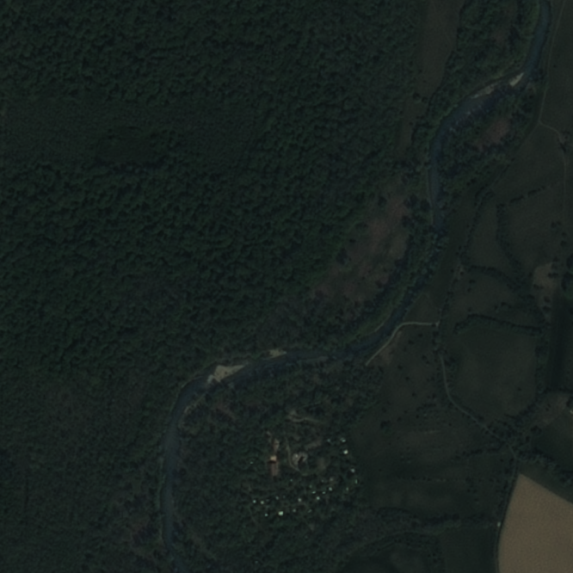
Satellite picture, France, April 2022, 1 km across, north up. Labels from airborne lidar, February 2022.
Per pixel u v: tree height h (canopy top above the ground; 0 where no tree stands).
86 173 21
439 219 0
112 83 17
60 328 21
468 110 0
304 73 19
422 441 0
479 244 0
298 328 22
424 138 9
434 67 0
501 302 0
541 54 0
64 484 17
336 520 14
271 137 21
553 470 17
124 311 21
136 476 20
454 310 0
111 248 21
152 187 19
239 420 13
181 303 23
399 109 13
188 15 21
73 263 24
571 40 0
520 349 0
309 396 17
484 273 7
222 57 19
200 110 14
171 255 22
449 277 0
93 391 15
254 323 25
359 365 9
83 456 15
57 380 15
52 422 15
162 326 19
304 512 11
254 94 15
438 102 12
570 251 0
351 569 0
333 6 22
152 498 9
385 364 0
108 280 22
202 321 21
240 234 22
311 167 17
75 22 21
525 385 0
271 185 22
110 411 13
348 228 20
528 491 0
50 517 15
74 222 18
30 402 15
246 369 0
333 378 16
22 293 22
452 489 0
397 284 21
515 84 0
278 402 0
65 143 15
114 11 24
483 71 12
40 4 19
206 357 22
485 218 0
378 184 6
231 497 18
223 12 21
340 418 13
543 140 0
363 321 18
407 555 0
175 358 24
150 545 24
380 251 0
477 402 0
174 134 11
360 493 13
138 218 18
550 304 13
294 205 18
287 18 12
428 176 0
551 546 0
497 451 6
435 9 0
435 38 0
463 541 0
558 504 0
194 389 0
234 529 16
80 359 18
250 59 18
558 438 0
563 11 0
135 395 16
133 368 23
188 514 16
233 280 21
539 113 0
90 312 21
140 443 18
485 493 0
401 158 0
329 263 18
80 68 19
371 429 0
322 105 18
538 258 0
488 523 11
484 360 0
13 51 20
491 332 0
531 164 0
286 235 20
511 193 0
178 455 13
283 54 17
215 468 23
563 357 0
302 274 19
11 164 21
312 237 22
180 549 14
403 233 0
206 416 21
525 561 0
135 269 17
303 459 0
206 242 22
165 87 22
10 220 21
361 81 21
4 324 22
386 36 18
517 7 0
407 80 17
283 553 18
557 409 0
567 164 0
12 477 20
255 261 20
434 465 0
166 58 21
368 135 18
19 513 18
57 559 11
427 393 0
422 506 0
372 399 17
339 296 0
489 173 8
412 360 0
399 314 0
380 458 0
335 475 13
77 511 18
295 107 21
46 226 20
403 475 0
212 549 15
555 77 0
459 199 14
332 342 16
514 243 0
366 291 0
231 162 14
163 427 9
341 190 26
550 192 0
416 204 20
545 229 0
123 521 14
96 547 22
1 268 23
